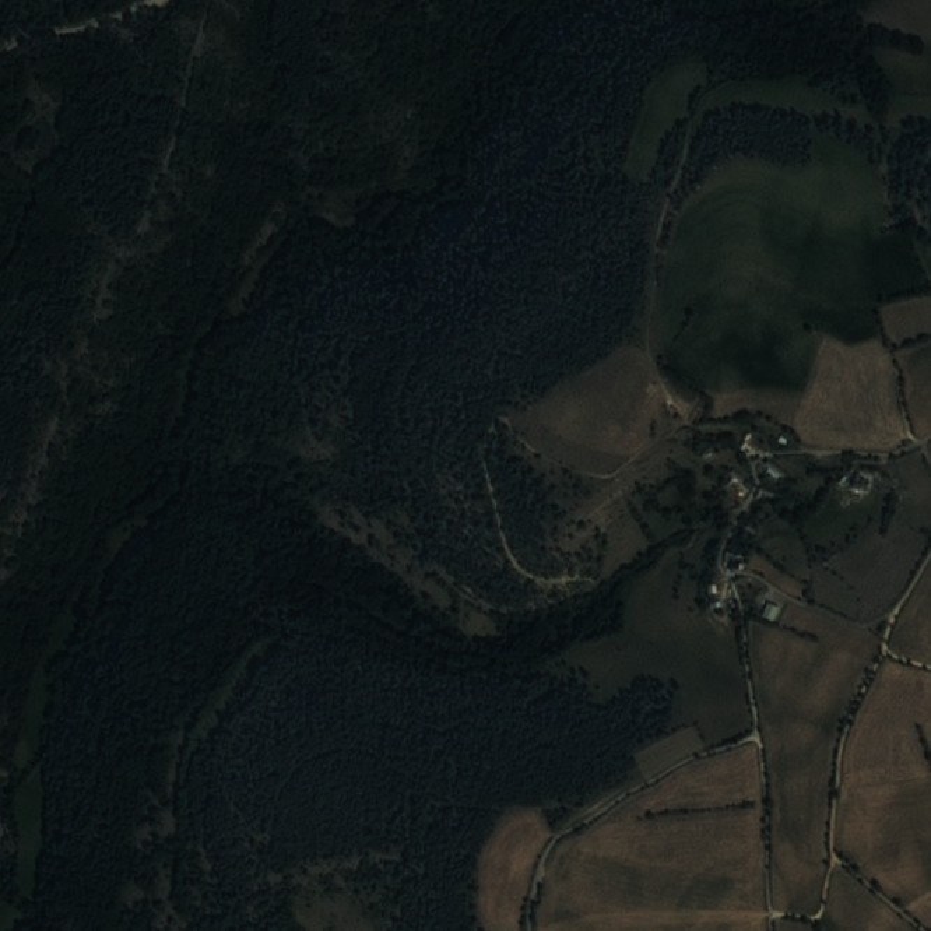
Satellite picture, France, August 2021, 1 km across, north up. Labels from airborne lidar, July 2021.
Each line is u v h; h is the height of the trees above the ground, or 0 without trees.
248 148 16
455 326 17
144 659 17
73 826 10
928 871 0
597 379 0
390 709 12
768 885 0
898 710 0
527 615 10
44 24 8
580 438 0
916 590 0
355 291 16
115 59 9
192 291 21
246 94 10
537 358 10
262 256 14
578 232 13
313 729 14
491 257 14
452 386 8
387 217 9
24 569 10
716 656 0
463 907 11
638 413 0
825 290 0
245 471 12
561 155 16
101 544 27
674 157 10
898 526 0
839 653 0
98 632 8
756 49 20
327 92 9
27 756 0
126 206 19
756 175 0
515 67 9
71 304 17
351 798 11
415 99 7
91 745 11
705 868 0
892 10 0
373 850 10
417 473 7
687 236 0
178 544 15
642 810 0
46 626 23
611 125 19
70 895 18
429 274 14
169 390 19
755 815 0
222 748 13
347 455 7
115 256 7
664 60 9
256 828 6
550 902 0
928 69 0
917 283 0
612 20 16
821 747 0
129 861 13
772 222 0
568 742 12
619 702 6
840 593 0
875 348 0
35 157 0
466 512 8
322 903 0
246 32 10
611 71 6
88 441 17
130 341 6
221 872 16
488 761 13
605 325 14
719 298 0
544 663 10
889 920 0
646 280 9
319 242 18
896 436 0
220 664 12
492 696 11
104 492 25
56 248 12
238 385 6
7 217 8
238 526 16
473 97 16
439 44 18
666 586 0
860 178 0
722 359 0
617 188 16
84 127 14
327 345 11
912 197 11
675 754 0
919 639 0
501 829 0
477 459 8
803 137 11
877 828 0
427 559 16
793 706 0
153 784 14
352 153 11
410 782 11
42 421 10
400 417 10
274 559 14
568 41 15
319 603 17
